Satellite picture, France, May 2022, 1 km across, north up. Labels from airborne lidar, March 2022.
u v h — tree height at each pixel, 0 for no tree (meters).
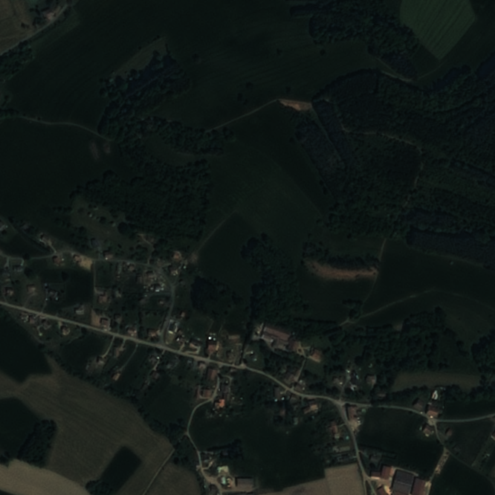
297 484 0
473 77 21
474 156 7
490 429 0
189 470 0
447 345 0
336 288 0
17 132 0
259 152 0
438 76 0
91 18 0
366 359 7
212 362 0
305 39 0
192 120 0
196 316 0
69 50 0
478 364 22
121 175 0
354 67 0
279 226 0
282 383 0
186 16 0
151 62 0
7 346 0
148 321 0
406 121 12
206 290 33
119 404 0
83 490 0
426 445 0
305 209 0
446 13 0
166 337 0
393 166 10
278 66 0
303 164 0
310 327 9
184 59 0
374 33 21
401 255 0
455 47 0
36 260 0
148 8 0
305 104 0
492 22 0
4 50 0
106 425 0
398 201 12
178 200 11
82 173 0
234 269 0
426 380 0
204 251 0
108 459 0
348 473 0
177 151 15
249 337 7
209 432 0
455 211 10
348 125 18
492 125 23
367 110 19
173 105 0
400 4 0
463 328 0
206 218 12
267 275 23
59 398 0
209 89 0
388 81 28
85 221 0
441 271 0
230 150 0
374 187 11
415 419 0
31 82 0
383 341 14
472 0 0
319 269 21
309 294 0
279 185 0
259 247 25
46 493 0
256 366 0
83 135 0
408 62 30
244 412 6
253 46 0
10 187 0
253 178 0
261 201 0
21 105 0
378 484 0
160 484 0
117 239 0
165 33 0
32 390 0
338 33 23
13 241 0
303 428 0
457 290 0
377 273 27
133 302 0
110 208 12
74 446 0
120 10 0
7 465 8
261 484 0
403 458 0
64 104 0
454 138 13
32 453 7
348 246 0
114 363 0
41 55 0
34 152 0
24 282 0
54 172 0
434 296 0
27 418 0
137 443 0
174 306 0
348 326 0
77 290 0
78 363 0
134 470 0
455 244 31
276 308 18
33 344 0
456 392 19
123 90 14
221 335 0
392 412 0
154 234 7
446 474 0
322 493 0
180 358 8
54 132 0
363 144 6
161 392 0
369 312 0
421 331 19
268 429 0
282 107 6
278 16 0
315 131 29
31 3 0
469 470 0
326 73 0
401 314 0
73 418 0
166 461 0
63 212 15
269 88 0
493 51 0
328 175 15
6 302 0
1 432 0
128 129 22
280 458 0
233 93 0
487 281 0
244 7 0
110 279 0
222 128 0
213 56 0
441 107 14
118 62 0
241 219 0
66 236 0
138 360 0
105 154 0
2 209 0
